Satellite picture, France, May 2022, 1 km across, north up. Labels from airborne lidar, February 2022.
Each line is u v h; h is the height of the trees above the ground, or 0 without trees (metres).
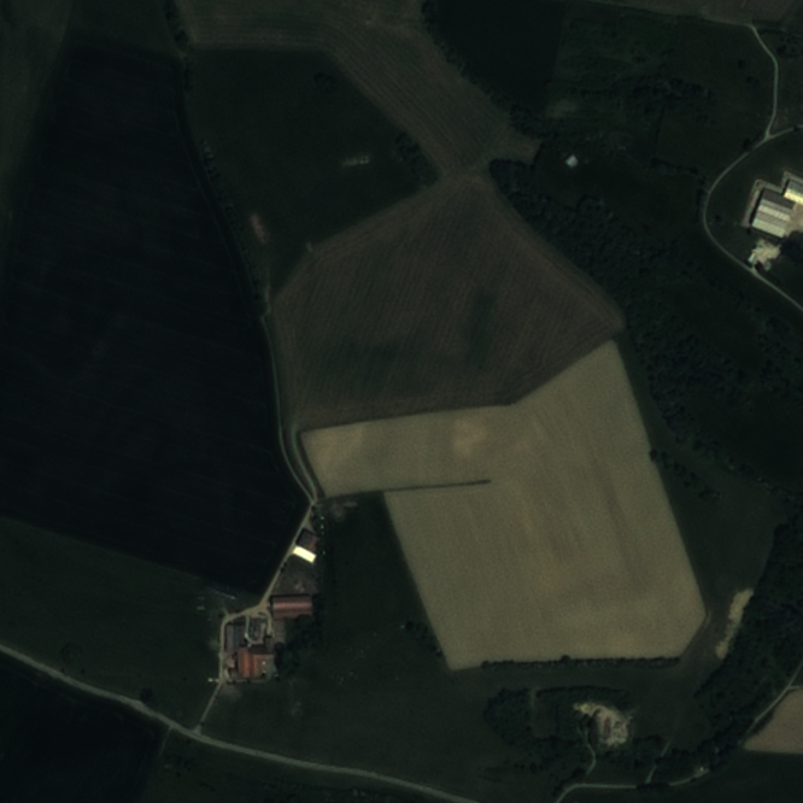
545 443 0
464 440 0
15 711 0
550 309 0
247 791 0
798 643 6
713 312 0
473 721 0
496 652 0
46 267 0
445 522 0
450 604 0
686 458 0
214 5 0
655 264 15
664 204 0
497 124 0
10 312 0
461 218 0
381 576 0
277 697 0
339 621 0
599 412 0
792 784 0
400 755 0
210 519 0
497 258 0
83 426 0
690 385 18
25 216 0
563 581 0
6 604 0
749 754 0
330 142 0
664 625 0
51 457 0
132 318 0
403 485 0
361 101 0
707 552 0
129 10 0
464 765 0
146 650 0
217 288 0
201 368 0
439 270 0
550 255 0
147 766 0
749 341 0
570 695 8
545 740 7
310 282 0
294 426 0
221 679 0
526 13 0
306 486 0
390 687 0
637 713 0
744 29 0
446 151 0
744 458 0
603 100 6
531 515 0
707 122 10
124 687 0
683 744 0
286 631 0
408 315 0
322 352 0
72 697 0
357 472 0
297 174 0
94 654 0
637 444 0
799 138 0
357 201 0
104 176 0
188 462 0
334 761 0
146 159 0
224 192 8
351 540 0
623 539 0
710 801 0
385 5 0
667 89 6
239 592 0
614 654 0
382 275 0
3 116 0
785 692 0
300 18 0
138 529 0
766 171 0
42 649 0
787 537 15
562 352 0
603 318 0
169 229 0
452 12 0
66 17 0
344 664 0
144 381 0
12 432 0
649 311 7
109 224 0
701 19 0
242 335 0
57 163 0
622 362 0
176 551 0
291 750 0
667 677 0
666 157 0
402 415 0
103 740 0
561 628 0
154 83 0
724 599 0
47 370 0
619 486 0
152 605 0
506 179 7
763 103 0
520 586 0
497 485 0
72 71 0
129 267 0
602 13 0
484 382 0
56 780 0
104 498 0
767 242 0
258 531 0
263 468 0
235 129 0
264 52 0
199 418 0
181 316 0
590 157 0
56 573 0
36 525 0
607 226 8
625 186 0
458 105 0
